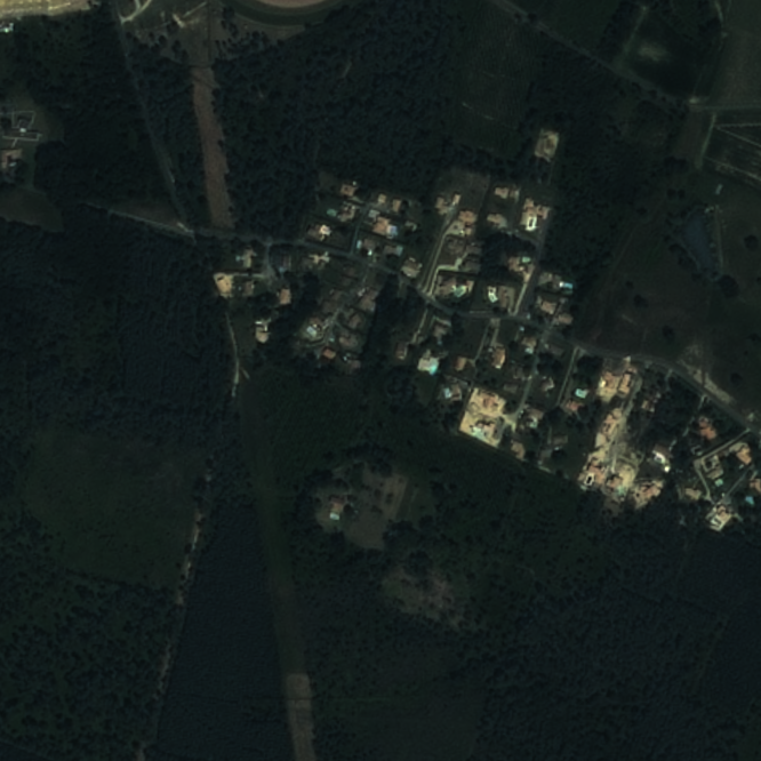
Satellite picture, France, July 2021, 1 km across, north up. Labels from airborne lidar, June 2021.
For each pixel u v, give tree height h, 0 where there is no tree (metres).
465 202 0
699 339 0
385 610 7
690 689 9
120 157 16
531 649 20
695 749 19
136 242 15
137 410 21
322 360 14
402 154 23
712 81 0
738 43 0
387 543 17
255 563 13
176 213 6
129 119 7
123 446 0
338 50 16
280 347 20
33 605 8
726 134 0
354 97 6
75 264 20
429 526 21
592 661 20
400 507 0
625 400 0
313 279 22
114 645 14
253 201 19
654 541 19
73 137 13
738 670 11
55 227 0
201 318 14
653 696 19
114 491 0
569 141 7
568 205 7
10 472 12
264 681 15
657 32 0
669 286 0
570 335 15
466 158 17
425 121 25
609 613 20
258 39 14
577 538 0
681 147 0
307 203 18
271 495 0
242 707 14
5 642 7
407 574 12
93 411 8
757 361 0
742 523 7
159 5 0
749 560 10
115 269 9
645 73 0
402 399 25
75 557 0
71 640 24
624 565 20
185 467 0
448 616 11
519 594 8
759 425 0
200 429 20
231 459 25
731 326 0
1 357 20
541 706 21
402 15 20
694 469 23
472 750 0
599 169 16
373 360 16
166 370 15
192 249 13
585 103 9
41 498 0
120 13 0
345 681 6
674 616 18
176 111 23
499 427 0
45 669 25
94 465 0
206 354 16
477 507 14
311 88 16
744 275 0
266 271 0
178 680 15
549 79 7
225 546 13
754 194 0
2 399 21
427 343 12
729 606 6
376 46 17
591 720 17
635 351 0
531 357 6
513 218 0
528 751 17
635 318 0
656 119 10
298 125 16
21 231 20
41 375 27
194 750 15
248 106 20
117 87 12
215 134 0
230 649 14
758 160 0
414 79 8
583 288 10
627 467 0
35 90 19
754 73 0
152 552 0
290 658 0
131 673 7
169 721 15
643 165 9
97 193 17
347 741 7
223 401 6
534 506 8
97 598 26
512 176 8
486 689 6
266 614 12
